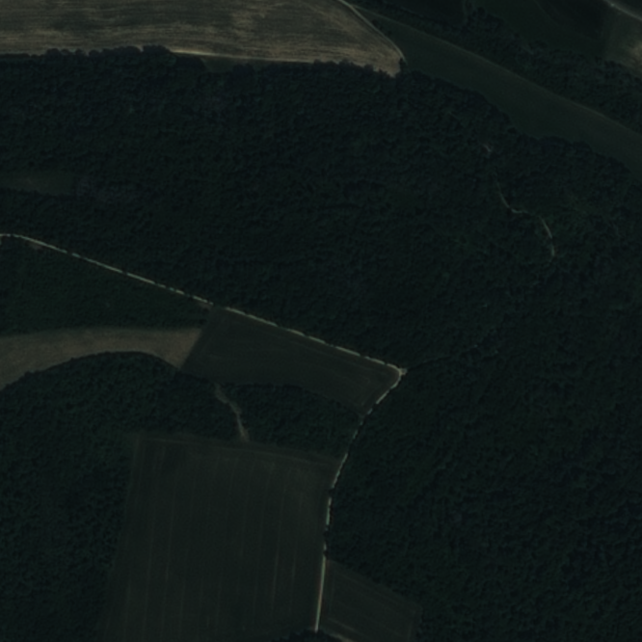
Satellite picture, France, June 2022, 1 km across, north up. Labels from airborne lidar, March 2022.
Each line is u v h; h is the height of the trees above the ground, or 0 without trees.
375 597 0
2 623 16
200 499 0
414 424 6
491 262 21
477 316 19
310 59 0
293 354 0
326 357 0
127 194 18
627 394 27
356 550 23
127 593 0
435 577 14
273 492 0
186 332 0
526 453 20
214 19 0
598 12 0
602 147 0
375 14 0
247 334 0
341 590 0
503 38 11
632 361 30
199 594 0
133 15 0
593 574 28
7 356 0
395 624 0
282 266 20
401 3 0
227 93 29
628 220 26
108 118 27
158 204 24
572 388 28
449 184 22
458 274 22
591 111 0
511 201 24
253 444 0
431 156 27
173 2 0
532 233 19
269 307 16
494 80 0
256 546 0
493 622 20
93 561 10
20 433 14
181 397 15
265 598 0
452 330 18
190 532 0
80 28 0
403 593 15
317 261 21
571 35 0
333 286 20
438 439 16
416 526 23
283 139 26
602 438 28
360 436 8
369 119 28
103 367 15
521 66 8
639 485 26
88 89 29
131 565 0
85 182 18
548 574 17
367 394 0
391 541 14
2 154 24
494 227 22
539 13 0
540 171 29
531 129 0
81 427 6
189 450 0
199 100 25
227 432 9
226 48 0
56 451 12
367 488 19
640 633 11
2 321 14
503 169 25
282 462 0
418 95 21
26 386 15
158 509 0
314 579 0
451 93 22
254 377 0
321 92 28
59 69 20
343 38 0
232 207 16
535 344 23
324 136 22
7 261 14
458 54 0
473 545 18
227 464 0
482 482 7
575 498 13
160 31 0
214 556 0
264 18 0
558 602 25
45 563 13
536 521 14
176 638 0
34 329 7
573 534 17
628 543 29
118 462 6
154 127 23
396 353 9
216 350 0
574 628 11
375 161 22
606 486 20
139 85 28
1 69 25
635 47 0
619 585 16
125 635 0
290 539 0
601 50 0
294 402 15
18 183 0
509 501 22
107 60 19
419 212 24
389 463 16
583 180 25
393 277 15
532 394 18
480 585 9
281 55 0
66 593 9
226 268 19
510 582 15
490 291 21
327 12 0
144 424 11
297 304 18
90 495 9
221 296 20
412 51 0
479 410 15
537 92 0
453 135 20
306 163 20
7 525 15
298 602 0
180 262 17
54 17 0
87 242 15
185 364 0
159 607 0
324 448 7
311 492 0
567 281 27
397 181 23
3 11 0
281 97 28
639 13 0
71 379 13
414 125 25
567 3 0
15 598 12
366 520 21
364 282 21
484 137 27
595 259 27
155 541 0
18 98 27
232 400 8
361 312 13
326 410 6
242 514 0
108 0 0
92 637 14
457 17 0
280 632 0
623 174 26
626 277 23
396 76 0
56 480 13
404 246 18
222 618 0
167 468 0
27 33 0
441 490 18
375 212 21
